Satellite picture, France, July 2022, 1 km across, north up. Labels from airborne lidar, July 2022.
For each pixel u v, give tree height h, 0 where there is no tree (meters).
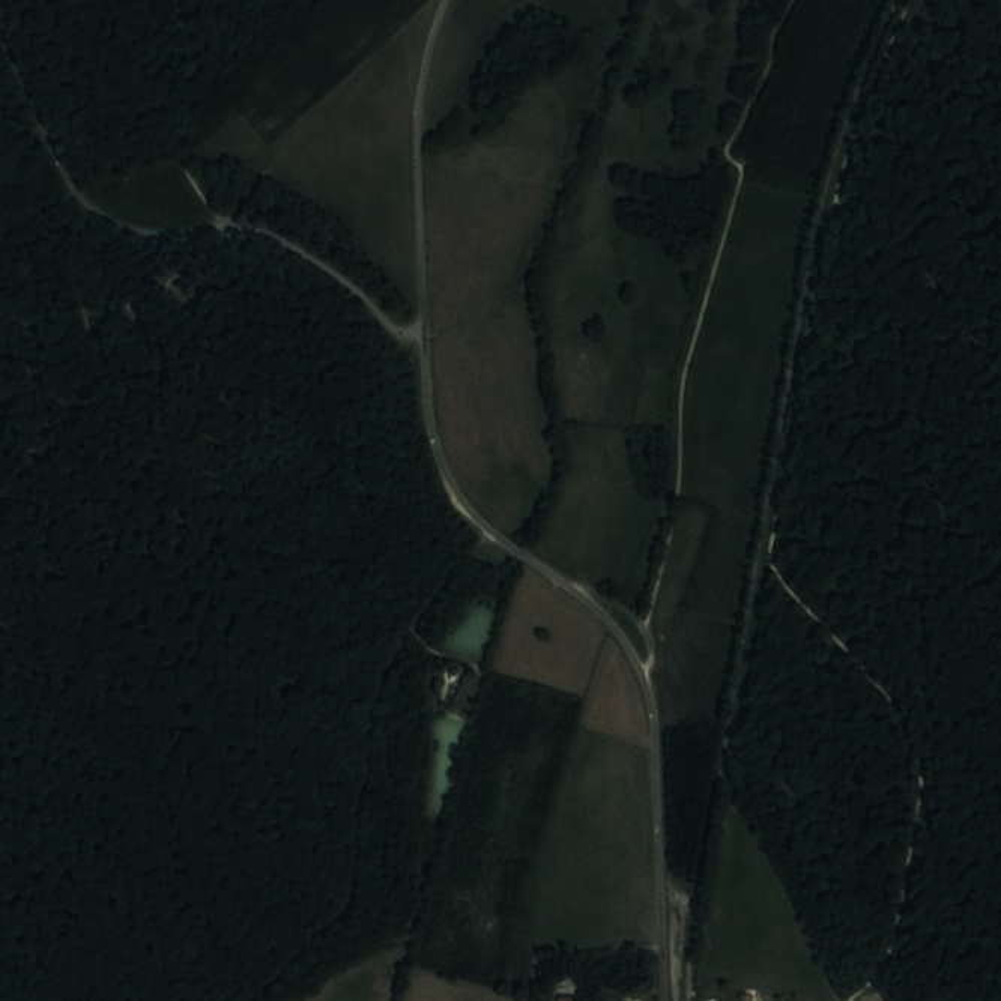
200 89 26
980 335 27
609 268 0
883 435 22
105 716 28
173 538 27
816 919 19
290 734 26
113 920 28
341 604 21
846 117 14
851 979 22
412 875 20
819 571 26
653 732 0
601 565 0
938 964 24
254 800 27
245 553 32
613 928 0
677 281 0
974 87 29
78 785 28
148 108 22
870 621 25
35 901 28
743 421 0
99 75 26
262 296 27
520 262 0
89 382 28
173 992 27
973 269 30
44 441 28
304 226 24
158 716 28
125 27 31
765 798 27
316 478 20
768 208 0
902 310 29
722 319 0
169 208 0
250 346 30
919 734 24
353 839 19
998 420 28
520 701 6
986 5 28
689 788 13
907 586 27
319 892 22
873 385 26
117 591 29
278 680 29
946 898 30
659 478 17
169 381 27
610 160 0
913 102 29
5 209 25
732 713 15
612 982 14
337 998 0
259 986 22
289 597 29
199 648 26
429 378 0
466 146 0
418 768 22
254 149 0
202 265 25
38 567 28
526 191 0
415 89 0
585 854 0
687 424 0
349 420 24
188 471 22
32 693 26
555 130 0
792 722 22
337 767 18
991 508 28
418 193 0
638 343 0
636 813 0
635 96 22
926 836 26
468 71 0
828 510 27
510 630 0
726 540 0
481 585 26
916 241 30
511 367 0
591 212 0
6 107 24
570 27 24
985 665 25
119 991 24
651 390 0
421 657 18
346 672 25
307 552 24
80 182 22
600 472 0
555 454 10
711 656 0
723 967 0
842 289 25
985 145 31
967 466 27
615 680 0
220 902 30
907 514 24
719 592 0
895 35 17
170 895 28
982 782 26
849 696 27
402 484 26
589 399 0
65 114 28
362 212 0
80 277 25
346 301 24
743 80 23
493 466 0
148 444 28
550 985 17
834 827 25
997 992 31
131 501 30
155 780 28
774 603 26
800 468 20
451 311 0
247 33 30
